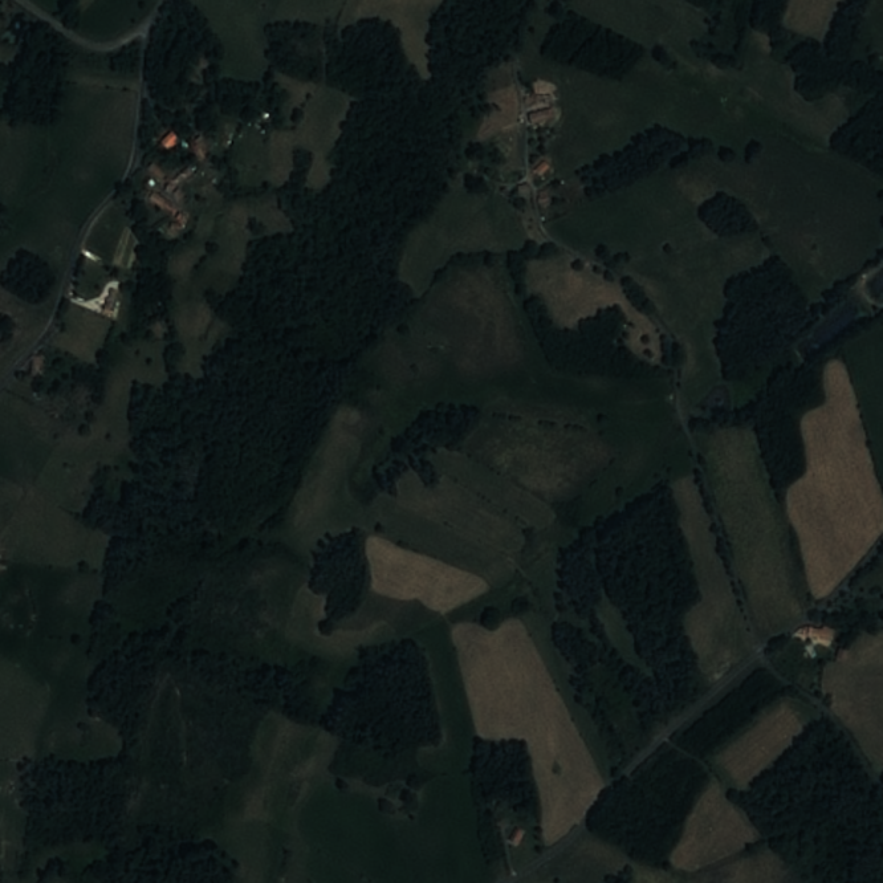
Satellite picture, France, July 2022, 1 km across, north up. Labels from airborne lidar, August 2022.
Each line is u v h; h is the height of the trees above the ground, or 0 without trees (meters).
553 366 9
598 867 0
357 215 15
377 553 0
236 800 0
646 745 0
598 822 20
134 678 20
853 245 0
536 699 0
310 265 15
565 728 0
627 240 0
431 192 16
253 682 14
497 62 16
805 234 0
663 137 20
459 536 0
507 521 0
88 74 0
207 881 23
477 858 0
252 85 12
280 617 0
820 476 0
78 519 8
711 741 7
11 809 0
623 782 17
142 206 14
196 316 0
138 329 7
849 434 0
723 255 0
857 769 23
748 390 0
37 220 0
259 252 9
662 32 0
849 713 0
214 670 14
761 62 0
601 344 12
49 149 0
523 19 24
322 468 0
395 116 20
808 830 9
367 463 0
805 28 0
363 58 12
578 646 11
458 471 0
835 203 0
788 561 0
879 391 0
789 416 7
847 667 0
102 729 0
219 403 16
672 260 0
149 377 0
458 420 20
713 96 0
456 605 0
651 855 21
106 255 0
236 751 0
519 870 0
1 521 0
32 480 0
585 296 0
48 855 0
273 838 0
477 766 16
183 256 0
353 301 15
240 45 0
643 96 0
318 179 0
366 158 18
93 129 0
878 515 0
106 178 0
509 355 0
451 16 16
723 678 0
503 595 0
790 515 0
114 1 0
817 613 13
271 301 22
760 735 0
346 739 10
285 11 0
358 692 17
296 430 17
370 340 19
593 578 21
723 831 0
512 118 0
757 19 19
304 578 0
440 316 0
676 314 0
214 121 12
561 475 0
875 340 0
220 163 12
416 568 0
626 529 26
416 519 0
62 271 0
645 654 18
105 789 16
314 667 6
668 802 7
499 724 0
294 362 23
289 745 0
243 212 0
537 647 0
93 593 0
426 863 0
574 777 0
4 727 0
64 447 0
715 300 0
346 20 0
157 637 29
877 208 0
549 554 0
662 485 7
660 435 0
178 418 6
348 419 0
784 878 0
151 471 26
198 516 16
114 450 0
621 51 8
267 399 19
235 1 0
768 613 0
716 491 0
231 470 14
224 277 0
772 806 14
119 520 15
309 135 0
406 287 16
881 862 21
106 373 9
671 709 15
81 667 0
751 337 25
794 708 0
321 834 0
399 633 0
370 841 0
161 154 9
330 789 0
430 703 18
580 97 0
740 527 0
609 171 19
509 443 0
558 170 0
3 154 0
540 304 11
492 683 0
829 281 0
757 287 21
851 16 19
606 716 12
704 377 0
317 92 0
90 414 11
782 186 0
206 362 9
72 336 0
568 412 0
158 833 18
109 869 10
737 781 0
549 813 0
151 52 10
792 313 23
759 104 0
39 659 0
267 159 0
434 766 0
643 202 0
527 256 13
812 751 19
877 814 19
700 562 0
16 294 10
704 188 0
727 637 0
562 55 9
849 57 19
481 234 0
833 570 0
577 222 0
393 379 0
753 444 0
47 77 22
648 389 0
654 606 14
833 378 0
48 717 0
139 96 0
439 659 0
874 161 17
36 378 11
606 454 0
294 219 8
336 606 15
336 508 0
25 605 0
